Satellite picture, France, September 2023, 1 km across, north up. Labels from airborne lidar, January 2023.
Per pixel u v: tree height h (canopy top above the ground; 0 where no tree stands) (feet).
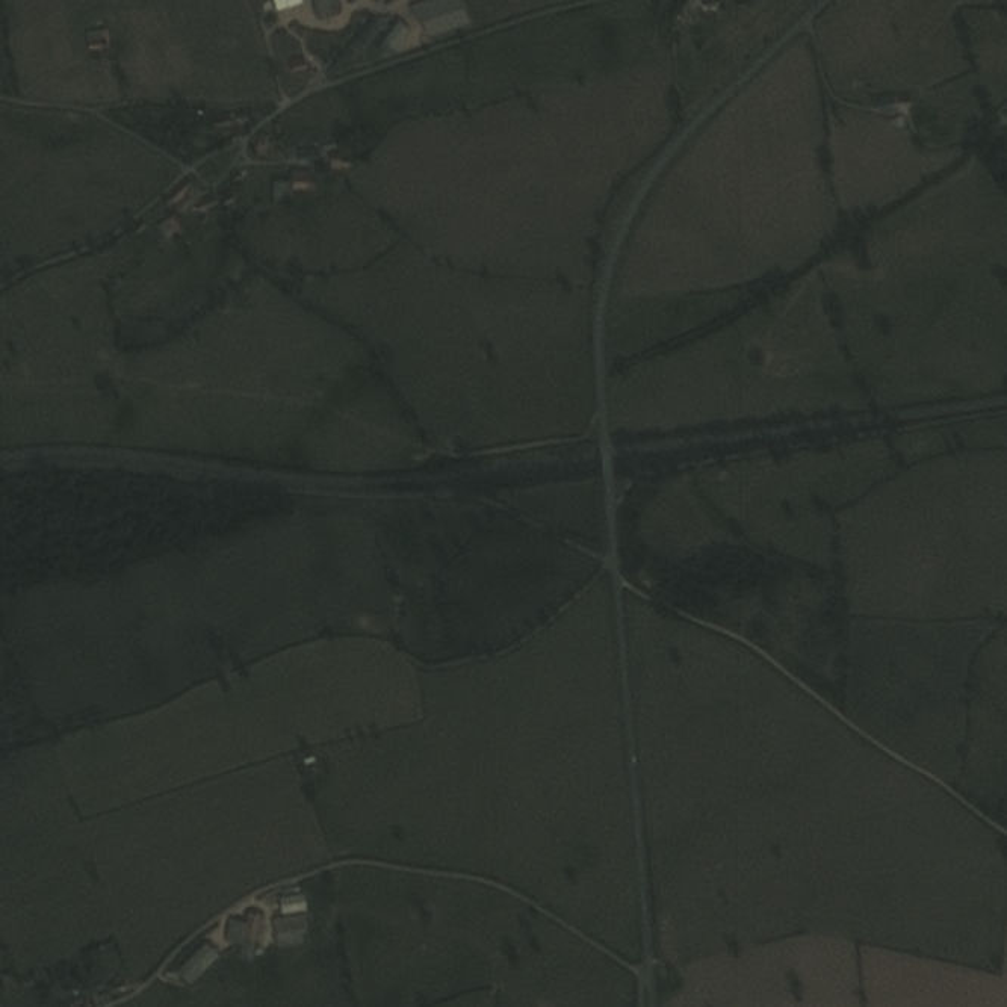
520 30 0
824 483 0
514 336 0
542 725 0
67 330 0
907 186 0
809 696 0
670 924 0
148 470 0
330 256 0
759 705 0
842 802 0
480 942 0
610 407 0
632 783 0
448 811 0
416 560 0
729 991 0
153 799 0
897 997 0
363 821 0
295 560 0
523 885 0
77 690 0
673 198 0
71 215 0
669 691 0
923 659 0
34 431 0
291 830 0
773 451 62
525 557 0
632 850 0
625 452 0
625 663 0
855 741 0
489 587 0
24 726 0
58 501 27
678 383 0
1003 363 0
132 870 0
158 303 0
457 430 0
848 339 0
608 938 0
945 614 0
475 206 0
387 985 0
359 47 0
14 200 0
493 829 0
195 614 0
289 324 0
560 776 0
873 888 0
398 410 0
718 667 0
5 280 36
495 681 0
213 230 0
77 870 0
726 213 0
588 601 0
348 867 0
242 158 0
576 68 0
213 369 0
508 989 0
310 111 0
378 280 0
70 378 0
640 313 0
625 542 0
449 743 0
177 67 0
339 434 0
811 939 0
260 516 48
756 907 0
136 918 0
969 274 0
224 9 0
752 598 0
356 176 0
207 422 0
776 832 0
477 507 0
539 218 0
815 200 0
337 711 0
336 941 0
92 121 0
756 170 0
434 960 0
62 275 0
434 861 0
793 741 0
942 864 0
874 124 0
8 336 0
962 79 0
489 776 0
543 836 0
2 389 0
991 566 0
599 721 0
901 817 0
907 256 0
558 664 0
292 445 0
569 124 0
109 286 40
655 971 0
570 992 0
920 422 0
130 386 0
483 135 0
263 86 0
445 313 0
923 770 0
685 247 0
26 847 0
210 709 0
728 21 0
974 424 0
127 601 0
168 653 0
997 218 0
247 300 0
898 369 0
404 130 0
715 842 0
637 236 0
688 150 0
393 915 0
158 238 0
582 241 0
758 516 0
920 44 0
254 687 0
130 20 0
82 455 0
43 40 0
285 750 0
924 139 32
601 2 0
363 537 0
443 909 0
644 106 0
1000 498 0
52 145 0
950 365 0
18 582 19
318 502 0
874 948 0
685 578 38
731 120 0
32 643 0
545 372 0
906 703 0
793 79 0
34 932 0
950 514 0
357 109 0
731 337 0
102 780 0
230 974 0
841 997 0
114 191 0
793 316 0
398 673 0
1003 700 0
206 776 0
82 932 0
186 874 0
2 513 24
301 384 0
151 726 0
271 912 0
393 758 0
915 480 0
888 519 0
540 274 0
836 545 31
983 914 0
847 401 0
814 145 0
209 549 0
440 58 0
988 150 54
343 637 0
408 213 0
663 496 0
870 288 0
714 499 0
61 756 0
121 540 26
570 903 0
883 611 0
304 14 0
